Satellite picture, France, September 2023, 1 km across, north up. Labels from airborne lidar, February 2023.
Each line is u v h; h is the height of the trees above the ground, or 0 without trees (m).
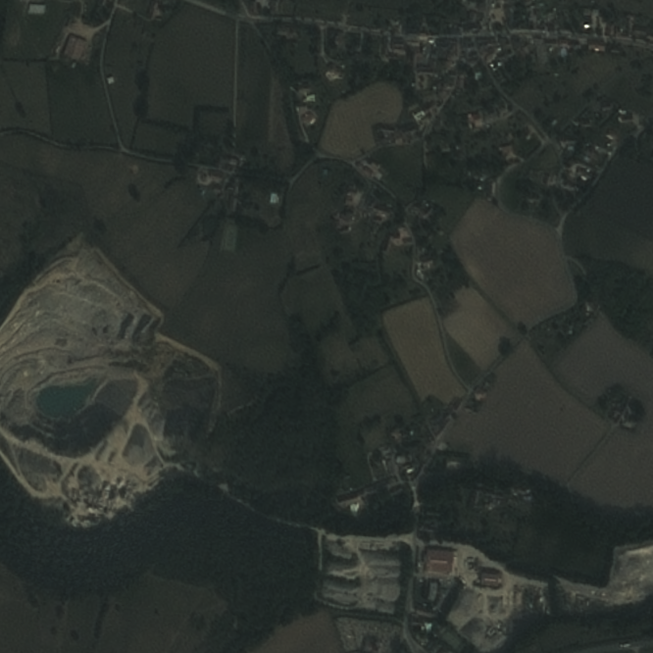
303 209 0
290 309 0
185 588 0
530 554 0
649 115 0
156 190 0
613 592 0
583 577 9
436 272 6
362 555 0
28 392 0
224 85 0
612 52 6
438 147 8
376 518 9
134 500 0
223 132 0
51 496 0
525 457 0
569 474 0
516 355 0
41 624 0
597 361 0
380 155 0
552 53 0
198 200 0
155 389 0
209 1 0
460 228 0
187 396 0
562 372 0
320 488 17
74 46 0
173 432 0
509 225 0
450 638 0
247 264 0
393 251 0
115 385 0
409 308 0
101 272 0
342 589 0
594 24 0
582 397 0
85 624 0
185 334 0
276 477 7
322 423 21
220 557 17
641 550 0
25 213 0
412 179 0
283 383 9
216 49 0
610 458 0
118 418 0
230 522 21
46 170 0
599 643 0
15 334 0
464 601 0
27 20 0
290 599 23
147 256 0
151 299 0
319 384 16
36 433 0
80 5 0
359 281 10
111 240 0
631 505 0
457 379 0
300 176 0
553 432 0
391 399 0
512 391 0
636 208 0
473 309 0
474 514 0
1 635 0
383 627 0
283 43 10
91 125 0
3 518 6
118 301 0
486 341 0
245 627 9
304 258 0
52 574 21
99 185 0
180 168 17
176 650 0
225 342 0
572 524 0
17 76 0
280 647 0
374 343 0
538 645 0
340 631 0
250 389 0
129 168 0
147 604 0
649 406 0
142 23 0
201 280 0
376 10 0
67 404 0
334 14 0
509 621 0
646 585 0
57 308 0
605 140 0
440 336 0
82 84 0
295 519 16
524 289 0
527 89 0
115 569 19
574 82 0
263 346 0
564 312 0
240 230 0
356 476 0
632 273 9
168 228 0
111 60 0
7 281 17
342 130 0
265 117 0
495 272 0
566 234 0
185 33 0
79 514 0
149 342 0
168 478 20
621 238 0
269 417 20
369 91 0
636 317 8
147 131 0
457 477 15
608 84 0
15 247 0
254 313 0
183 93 0
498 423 0
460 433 0
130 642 0
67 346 0
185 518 7
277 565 26
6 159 0
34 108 0
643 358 0
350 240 0
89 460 0
